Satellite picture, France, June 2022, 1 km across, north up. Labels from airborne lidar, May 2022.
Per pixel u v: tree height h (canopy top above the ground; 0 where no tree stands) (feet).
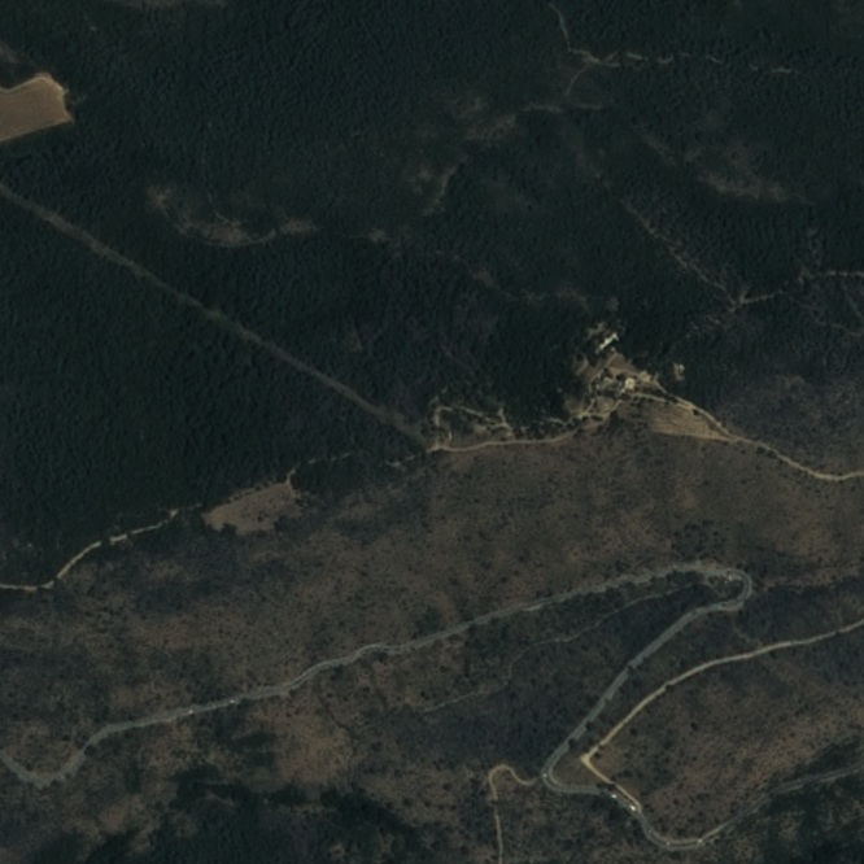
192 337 35
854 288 48
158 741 0
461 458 0
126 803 0
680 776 0
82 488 44
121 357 31
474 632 39
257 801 39
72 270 18
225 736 32
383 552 0
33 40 32
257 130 32
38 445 40
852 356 24
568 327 23
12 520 31
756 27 19
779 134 26
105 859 36
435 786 0
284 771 0
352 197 24
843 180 27
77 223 28
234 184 26
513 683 26
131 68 21
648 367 31
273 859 25
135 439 21
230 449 27
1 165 50
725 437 0
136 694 0
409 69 55
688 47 25
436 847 30
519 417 28
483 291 22
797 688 0
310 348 19
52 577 19
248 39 40
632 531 0
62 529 30
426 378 51
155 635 0
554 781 0
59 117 0
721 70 49
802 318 46
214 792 20
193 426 36
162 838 18
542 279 20
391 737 0
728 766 0
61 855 26
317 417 42
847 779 20
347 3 28
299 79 33
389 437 54
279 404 34
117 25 37
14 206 32
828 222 29
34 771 28
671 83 31
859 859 35
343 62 19
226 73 60
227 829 18
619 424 32
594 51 18
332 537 0
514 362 52
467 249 22
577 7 50
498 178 23
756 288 42
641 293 25
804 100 26
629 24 46
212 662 27
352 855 51
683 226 57
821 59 47
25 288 24
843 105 31
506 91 18
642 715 0
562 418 34
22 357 26
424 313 45
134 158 26
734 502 0
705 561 33
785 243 41
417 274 47
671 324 41
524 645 44
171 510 23
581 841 37
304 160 25
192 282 53
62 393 32
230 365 27
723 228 28
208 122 23
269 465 31
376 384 37
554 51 30
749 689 0
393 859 18
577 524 0
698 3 22
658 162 26
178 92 31
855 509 0
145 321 29
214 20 30
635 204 39
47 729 0
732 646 0
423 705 0
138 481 22
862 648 0
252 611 0
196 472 28
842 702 0
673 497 0
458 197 20
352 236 23
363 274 33
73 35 33
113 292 27
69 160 63
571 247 20
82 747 22
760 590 23
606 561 0
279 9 41
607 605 29
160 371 48
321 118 20
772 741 0
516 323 25
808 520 0
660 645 0
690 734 0
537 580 0
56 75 22
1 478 37
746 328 51
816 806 18
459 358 63
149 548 23
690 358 20
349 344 38
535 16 22
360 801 20
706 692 0
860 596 0
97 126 44
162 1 0
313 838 24
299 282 41
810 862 48
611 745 0
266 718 0
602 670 0
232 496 41
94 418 33
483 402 54
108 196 34
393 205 22
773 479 0
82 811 0
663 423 0
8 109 0
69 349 31
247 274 24
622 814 29
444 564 0
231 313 54
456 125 28
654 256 23
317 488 20
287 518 27
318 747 0
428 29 55
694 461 0
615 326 32
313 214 31
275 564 34
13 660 29
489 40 52
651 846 22
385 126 36
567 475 0
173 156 35
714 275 45
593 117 55
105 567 32
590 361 29
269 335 38
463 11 54
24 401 28
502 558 0
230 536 37
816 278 29
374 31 51
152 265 29
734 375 34
